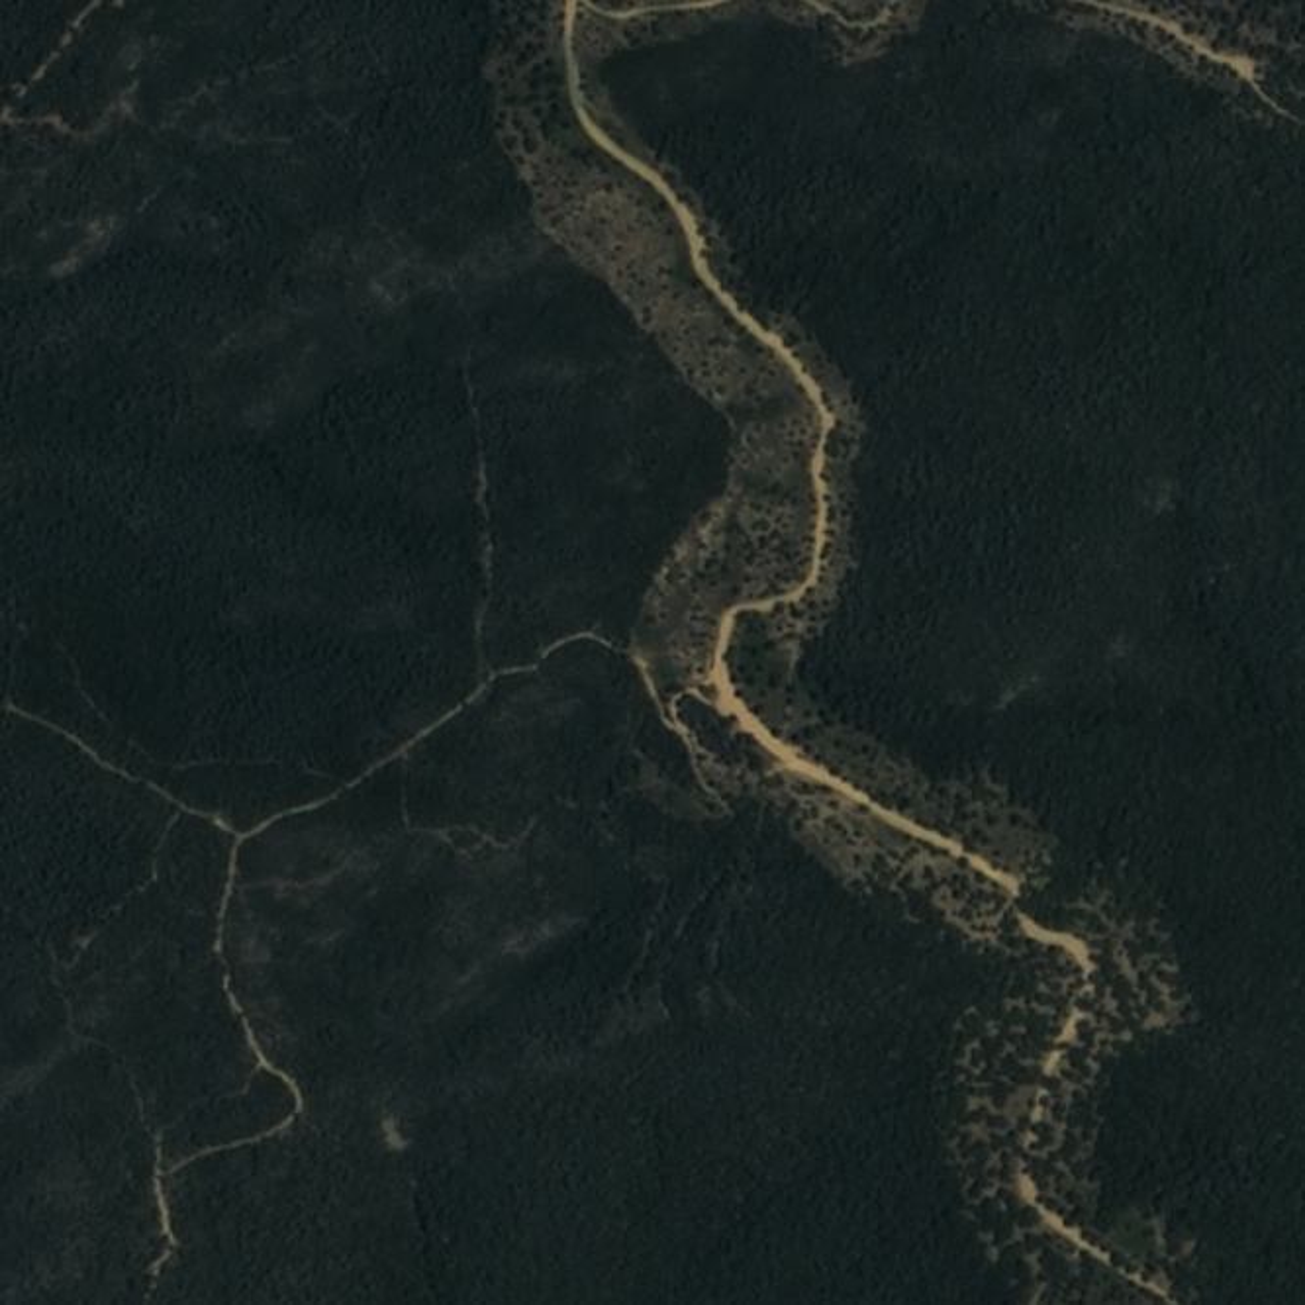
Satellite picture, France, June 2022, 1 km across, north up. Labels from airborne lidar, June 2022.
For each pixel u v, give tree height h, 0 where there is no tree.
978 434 7
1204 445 8
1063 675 7
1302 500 9
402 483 10
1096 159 6
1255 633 7
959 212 6
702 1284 6
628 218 0
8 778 7
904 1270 7
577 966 8
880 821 0
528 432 9
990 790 8
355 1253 11
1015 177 6
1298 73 9
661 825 7
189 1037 7
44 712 6
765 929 6
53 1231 6
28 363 9
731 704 0
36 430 6
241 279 12
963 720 6
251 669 13
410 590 10
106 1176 7
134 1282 11
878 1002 8
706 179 10
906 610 8
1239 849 6
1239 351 8
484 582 11
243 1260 8
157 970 8
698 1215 8
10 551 6
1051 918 9
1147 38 7
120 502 12
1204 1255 13
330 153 11
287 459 10
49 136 8
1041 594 11
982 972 7
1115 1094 8
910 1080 6
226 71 8
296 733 11
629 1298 9
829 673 10
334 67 7
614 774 5
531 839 6
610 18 0
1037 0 6
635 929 6
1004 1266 9
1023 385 7
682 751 6
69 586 6
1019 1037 9
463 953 7
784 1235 9
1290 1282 12
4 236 6
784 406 0
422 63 9
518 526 6
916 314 6
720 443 7
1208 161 6
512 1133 9
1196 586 13
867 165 7
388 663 11
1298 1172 12
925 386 9
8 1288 10
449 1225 11
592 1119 9
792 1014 7
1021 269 7
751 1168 11
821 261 14
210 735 9
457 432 10
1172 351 7
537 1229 9
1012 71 6
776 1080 7
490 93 8
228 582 12
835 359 7
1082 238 11
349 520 7
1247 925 5
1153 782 12
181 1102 6
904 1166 11
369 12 10
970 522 11
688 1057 12
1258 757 14
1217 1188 12
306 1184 13
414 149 12
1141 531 9
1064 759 12
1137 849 10
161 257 6
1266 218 8
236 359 7
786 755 0
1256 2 16
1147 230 6
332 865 8
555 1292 11
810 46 6
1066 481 9
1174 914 12
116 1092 6
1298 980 11
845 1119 6
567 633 7
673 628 0
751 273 11
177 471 13
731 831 12
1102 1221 11
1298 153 9
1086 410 7
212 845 7
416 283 8
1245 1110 10
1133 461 9
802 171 6
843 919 7
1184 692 7
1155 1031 7
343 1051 8
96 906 12
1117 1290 8
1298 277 11
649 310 6
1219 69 7
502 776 8
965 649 7
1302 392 7
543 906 8
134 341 6
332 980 6
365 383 11
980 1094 12
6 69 8
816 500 5
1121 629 6
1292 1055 8
